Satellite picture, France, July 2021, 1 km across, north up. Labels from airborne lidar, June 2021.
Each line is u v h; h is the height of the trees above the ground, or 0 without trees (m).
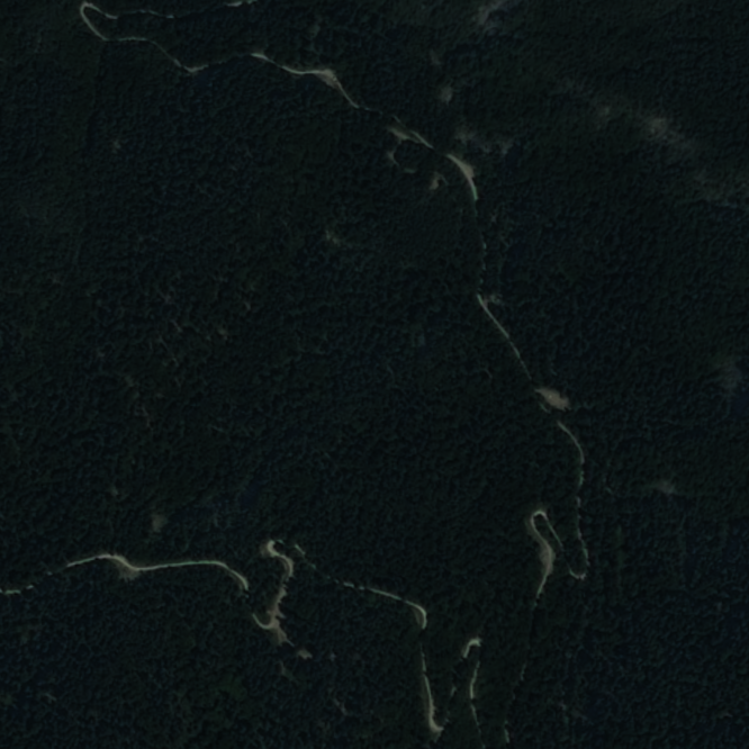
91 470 19
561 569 17
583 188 20
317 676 29
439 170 13
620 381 21
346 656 27
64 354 10
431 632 14
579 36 22
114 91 19
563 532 21
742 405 7
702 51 18
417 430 13
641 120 8
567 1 13
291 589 25
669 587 7
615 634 12
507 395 23
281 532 18
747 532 18
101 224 18
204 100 19
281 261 16
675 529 25
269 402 12
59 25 12
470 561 18
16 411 16
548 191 19
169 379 14
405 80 15
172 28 22
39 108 23
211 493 16
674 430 23
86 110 19
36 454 10
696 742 10
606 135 16
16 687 34
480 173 7
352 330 25
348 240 15
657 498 17
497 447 9
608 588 24
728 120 18
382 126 17
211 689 13
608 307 22
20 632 7
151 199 10
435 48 18
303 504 20
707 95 18
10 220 17
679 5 11
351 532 19
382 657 26
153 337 21
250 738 29
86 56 14
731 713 8
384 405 18
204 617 17
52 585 31
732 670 29
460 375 19
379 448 21
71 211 6
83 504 17
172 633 6
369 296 30
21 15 15
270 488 15
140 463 19
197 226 19
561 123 13
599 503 25
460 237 13
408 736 14
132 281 22
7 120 19
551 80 8
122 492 26
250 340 20
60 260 20
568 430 6
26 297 10
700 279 23
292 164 23
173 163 32
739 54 20
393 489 16
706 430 8
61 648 30
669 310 19
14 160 21
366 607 6
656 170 13
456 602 25
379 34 28
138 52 13
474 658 13
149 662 22
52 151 19
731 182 10
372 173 20
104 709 29
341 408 17
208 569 15
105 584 19
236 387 19
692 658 28
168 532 13
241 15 25
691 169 14
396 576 20
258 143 17
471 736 16
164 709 29
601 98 9
